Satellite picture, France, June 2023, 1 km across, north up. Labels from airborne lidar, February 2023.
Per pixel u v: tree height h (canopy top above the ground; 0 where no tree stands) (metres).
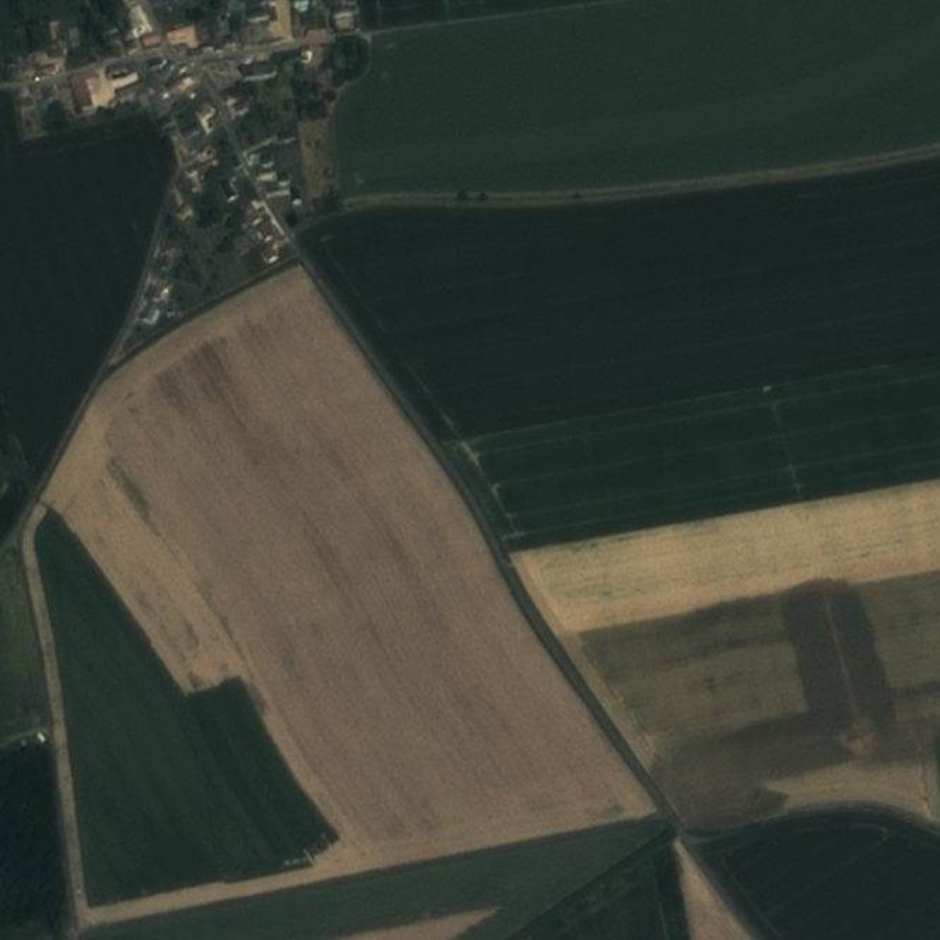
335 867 0
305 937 0
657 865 0
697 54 0
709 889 0
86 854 0
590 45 0
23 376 0
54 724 0
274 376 0
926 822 0
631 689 0
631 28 0
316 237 0
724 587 0
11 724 0
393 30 0
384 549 0
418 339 0
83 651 0
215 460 0
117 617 0
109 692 0
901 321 0
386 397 0
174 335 0
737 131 0
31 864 19
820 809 0
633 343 0
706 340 0
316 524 0
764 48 0
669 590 0
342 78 7
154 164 0
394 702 0
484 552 0
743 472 0
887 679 0
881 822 0
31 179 0
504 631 0
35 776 17
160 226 0
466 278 0
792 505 0
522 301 0
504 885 0
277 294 0
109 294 0
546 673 0
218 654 0
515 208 0
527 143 0
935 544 0
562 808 0
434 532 0
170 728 0
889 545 0
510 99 0
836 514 0
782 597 0
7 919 16
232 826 0
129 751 0
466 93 0
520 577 0
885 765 0
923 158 0
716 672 0
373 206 0
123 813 0
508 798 0
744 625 0
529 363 0
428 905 0
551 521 0
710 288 0
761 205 0
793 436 0
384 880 0
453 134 0
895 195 0
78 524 0
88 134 0
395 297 0
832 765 0
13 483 0
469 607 0
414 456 0
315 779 0
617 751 0
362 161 0
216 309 0
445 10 0
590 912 0
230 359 0
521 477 0
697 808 0
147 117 0
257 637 0
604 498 0
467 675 0
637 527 0
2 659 0
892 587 0
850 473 0
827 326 0
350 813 0
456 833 0
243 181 0
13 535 0
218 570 0
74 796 0
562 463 0
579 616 0
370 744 0
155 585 0
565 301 0
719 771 0
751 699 0
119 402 0
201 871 0
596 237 0
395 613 0
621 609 0
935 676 0
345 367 0
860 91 0
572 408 0
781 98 0
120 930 0
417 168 0
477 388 0
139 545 0
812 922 0
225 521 0
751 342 0
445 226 0
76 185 0
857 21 0
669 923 0
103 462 0
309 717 0
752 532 0
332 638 0
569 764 0
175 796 0
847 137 0
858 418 0
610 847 0
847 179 0
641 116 0
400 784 0
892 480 0
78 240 0
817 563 0
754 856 0
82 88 0
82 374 0
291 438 0
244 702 0
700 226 0
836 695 0
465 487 0
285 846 0
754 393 0
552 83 0
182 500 0
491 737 0
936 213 0
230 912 0
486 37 0
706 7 0
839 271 0
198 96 0
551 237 0
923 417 0
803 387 0
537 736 0
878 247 0
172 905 0
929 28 0
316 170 0
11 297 0
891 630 0
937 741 0
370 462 0
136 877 0
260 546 0
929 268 0
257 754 0
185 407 0
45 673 0
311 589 0
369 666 0
